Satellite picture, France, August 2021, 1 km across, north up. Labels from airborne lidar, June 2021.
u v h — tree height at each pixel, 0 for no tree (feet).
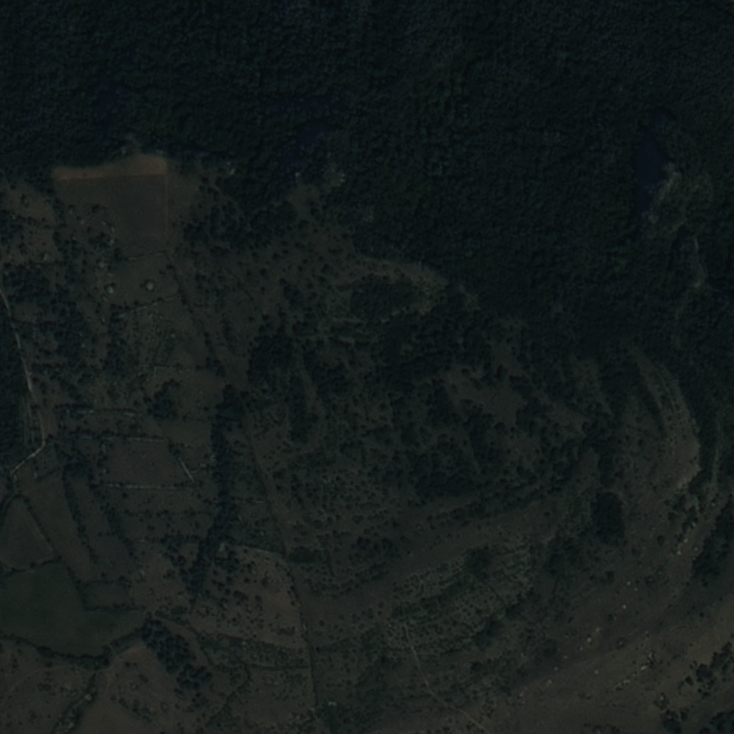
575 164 55
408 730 0
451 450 24
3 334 30
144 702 0
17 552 0
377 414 0
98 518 0
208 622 0
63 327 24
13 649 0
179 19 62
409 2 54
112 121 40
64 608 0
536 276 61
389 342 27
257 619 0
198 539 27
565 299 25
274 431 0
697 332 34
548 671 0
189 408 0
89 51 62
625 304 30
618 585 0
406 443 20
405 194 44
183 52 53
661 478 0
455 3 55
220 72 40
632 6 64
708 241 38
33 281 32
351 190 20
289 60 54
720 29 49
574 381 25
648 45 39
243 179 28
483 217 36
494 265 37
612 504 37
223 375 27
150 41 32
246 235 18
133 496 0
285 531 0
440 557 0
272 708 0
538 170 41
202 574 35
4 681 0
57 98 36
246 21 52
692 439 0
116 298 0
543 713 0
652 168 46
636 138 91
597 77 48
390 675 0
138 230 0
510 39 40
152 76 33
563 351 31
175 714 0
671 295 21
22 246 18
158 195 0
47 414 0
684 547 0
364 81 37
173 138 34
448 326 31
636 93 55
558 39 59
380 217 36
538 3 50
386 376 29
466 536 0
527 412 25
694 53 45
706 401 25
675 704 0
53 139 23
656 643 0
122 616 0
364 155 31
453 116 64
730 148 33
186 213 0
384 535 0
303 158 44
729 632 0
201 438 0
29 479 0
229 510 29
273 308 0
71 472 42
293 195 0
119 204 0
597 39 53
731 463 29
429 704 0
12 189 23
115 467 0
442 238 38
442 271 17
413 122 44
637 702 0
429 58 26
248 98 45
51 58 42
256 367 33
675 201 36
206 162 30
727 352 42
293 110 52
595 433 24
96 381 0
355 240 20
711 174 40
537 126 56
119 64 40
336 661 0
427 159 32
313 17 43
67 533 0
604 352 27
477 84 46
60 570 0
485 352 30
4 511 21
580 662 0
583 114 37
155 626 30
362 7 34
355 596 0
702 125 25
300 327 27
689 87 46
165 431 0
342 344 26
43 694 0
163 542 30
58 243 35
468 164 24
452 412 22
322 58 31
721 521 36
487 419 25
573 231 27
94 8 64
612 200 70
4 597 0
